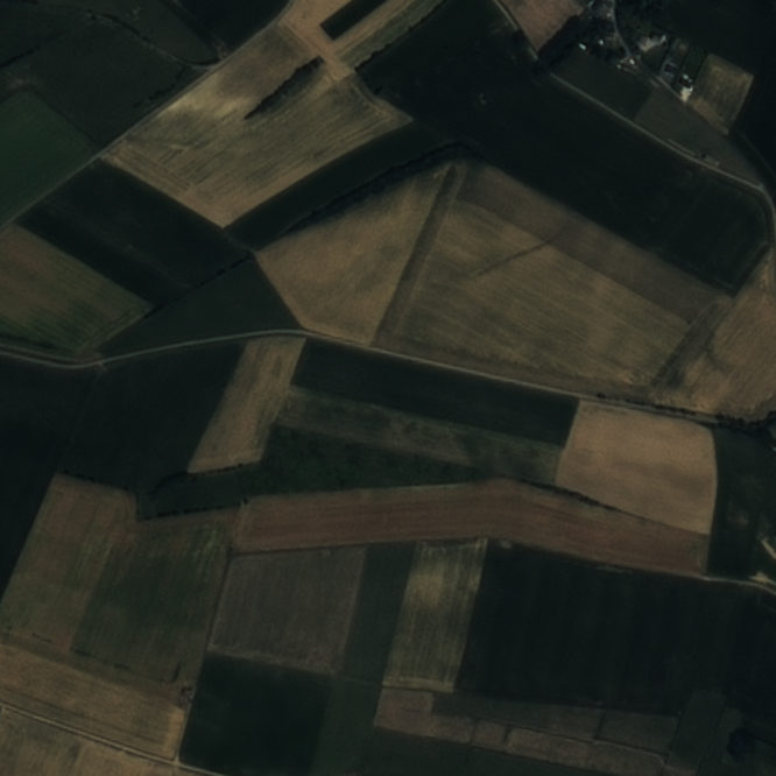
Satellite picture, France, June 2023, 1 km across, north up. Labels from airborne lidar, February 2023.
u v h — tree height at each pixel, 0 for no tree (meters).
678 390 0
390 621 0
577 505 0
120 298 0
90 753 0
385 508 0
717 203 0
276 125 0
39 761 0
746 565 0
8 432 0
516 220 0
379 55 8
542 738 0
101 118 0
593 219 0
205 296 0
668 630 0
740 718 0
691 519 0
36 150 0
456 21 0
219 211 0
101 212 0
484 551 0
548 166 0
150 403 0
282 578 0
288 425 0
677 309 0
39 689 0
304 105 0
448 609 0
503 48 0
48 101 0
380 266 0
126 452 0
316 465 0
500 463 0
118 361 0
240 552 0
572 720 0
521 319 0
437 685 0
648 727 0
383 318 0
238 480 0
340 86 0
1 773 0
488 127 0
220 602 0
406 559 0
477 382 0
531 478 0
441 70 0
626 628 0
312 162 0
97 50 0
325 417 0
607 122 0
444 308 0
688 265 0
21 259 0
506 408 0
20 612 0
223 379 0
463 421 0
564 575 0
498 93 0
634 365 0
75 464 0
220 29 0
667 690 0
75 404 0
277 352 0
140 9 0
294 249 0
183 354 0
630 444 0
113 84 0
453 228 0
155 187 0
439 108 0
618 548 0
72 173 0
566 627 0
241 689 0
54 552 0
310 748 0
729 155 0
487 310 0
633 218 0
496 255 0
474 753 0
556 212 0
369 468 0
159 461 0
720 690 0
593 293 0
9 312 0
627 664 0
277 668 0
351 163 0
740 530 0
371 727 0
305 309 0
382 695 0
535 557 0
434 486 0
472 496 0
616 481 0
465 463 0
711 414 0
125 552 0
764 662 0
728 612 0
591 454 0
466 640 0
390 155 0
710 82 0
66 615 0
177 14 0
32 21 0
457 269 0
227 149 0
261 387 0
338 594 0
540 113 0
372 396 0
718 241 0
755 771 0
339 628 0
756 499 0
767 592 0
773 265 0
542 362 0
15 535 0
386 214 0
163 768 0
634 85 0
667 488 0
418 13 0
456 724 0
